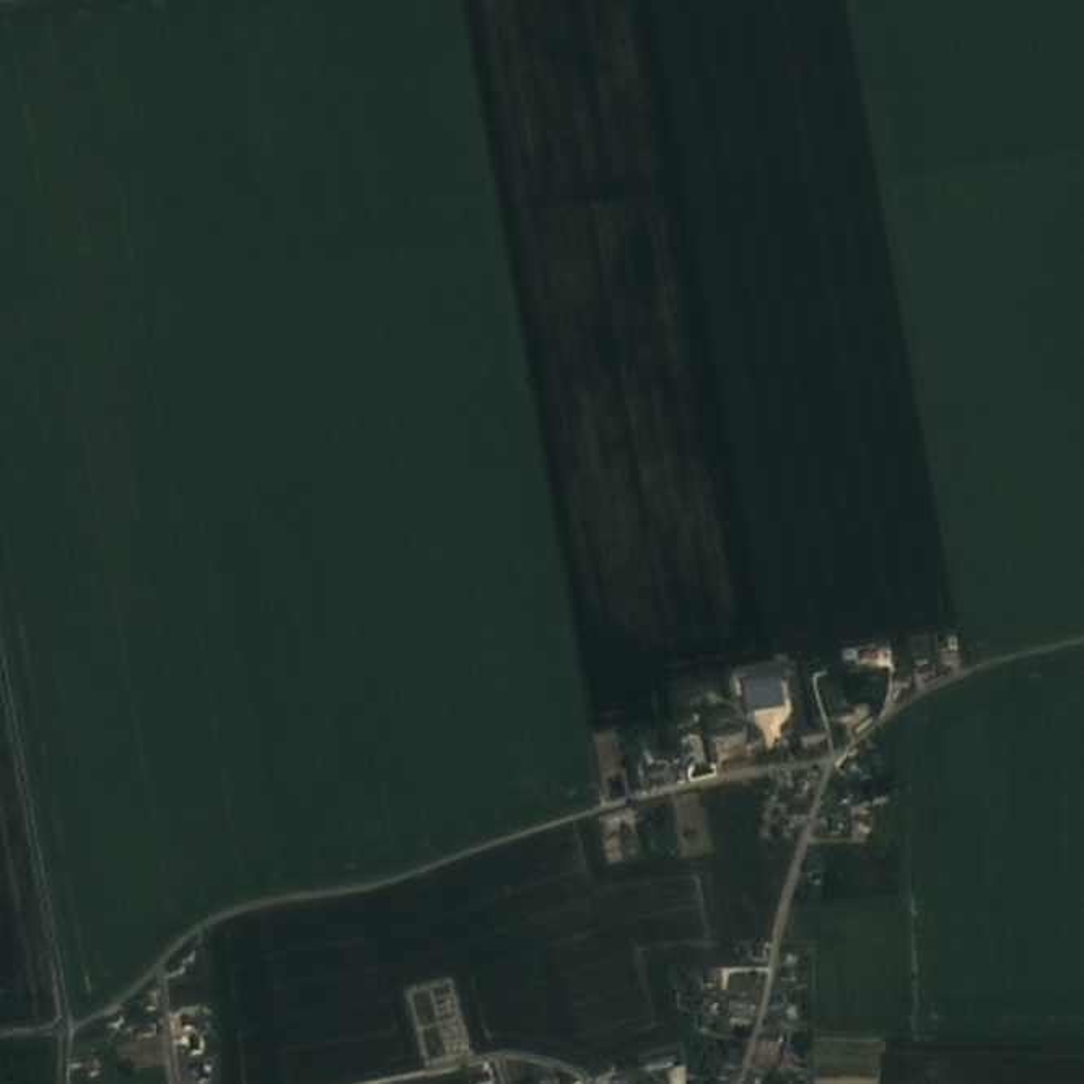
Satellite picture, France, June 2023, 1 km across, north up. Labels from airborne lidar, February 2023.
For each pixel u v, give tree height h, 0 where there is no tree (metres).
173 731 0
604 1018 0
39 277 0
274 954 0
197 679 0
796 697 0
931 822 0
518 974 0
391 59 0
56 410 0
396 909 0
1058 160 0
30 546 0
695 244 0
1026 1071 0
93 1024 0
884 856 0
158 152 0
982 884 0
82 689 0
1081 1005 0
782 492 0
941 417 0
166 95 0
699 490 0
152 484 0
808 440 0
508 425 0
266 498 0
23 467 0
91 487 0
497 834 0
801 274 0
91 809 0
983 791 0
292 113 0
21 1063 0
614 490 0
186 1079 0
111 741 0
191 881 0
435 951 0
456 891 0
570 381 0
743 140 0
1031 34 0
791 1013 0
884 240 0
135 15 0
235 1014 0
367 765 0
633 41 0
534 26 0
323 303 0
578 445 0
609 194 0
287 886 0
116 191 0
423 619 0
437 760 0
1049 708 0
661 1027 0
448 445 0
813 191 0
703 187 0
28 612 0
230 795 0
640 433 0
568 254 0
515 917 0
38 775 0
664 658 0
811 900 10
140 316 0
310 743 0
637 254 0
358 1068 0
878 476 0
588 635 0
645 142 0
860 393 0
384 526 0
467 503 0
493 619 0
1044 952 0
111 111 0
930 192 0
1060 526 0
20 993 0
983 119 0
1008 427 0
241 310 0
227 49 0
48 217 0
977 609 0
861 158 0
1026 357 0
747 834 0
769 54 0
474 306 0
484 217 0
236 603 0
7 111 0
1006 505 0
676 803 0
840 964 0
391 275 0
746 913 0
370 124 0
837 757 0
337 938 0
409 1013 0
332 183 0
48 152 0
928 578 0
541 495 0
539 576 0
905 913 0
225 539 0
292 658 0
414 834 0
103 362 0
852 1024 0
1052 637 0
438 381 0
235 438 0
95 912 0
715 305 0
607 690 0
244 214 0
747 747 0
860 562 0
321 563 0
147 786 0
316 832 0
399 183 0
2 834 0
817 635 0
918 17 0
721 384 0
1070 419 0
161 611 0
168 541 0
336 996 0
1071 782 0
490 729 0
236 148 0
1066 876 0
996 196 0
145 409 0
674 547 0
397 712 0
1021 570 0
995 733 0
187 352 0
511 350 0
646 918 0
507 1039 0
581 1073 0
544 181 0
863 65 0
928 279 0
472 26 0
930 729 0
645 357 0
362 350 0
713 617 0
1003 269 0
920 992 0
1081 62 0
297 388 0
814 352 0
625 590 0
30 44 0
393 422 0
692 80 0
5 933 0
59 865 0
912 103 0
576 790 0
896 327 0
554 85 0
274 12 0
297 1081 0
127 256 0
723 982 0
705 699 0
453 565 0
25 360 0
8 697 0
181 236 0
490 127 0
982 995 0
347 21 0
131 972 0
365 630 0
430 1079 0
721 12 0
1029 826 0
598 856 0
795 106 0
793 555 0
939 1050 0
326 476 0
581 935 0
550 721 0
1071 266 0
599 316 0
